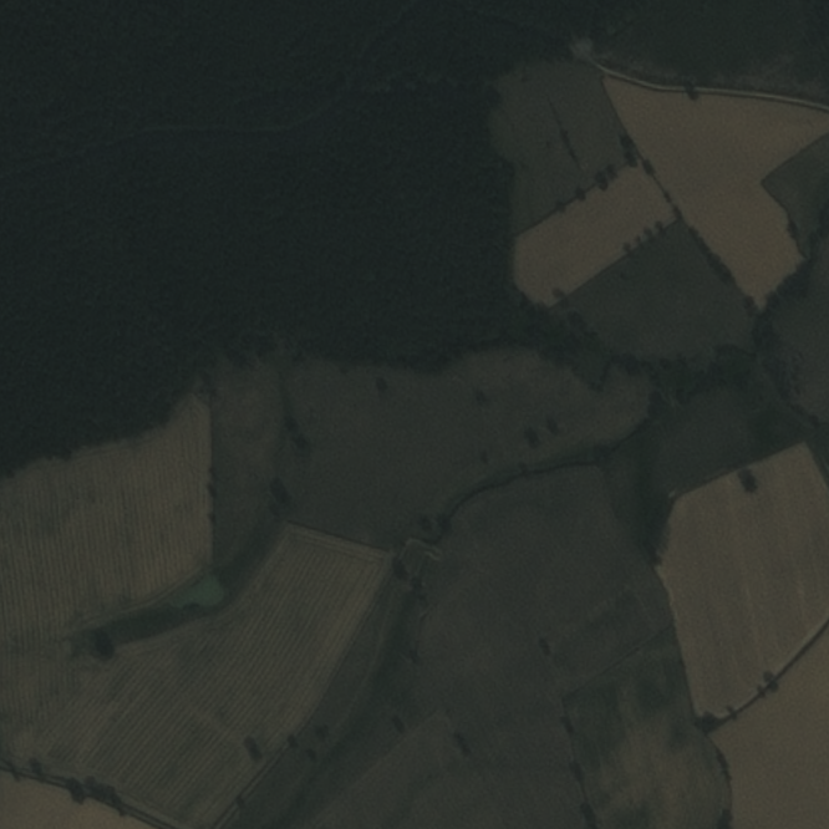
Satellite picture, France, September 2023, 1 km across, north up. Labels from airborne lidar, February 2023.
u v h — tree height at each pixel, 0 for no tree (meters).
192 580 0
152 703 0
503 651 0
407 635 0
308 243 22
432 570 0
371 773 0
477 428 0
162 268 22
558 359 15
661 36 0
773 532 0
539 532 0
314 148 24
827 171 0
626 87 0
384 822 0
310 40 20
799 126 0
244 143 24
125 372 23
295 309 24
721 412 0
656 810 0
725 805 0
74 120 27
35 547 0
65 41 22
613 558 0
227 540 0
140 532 0
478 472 0
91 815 0
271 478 0
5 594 0
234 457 0
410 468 0
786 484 0
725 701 0
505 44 21
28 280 23
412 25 21
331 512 0
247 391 0
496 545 0
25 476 0
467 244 24
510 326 10
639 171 0
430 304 19
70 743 0
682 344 0
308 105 21
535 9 18
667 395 0
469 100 25
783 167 0
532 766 0
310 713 0
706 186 0
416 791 0
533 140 0
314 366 0
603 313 0
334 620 0
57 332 21
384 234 20
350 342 21
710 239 0
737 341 0
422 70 34
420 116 24
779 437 0
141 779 0
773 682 13
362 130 24
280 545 0
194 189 25
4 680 0
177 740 0
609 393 0
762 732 0
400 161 22
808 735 0
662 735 0
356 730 0
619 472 0
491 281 23
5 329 23
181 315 28
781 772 0
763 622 0
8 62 20
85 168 22
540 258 0
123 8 20
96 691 0
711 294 0
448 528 11
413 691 0
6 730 0
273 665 0
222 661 0
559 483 0
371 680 0
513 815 0
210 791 0
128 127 21
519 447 0
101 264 20
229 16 20
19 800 0
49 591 0
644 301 0
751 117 0
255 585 0
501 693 0
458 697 0
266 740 0
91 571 0
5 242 24
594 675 0
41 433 23
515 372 0
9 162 19
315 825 0
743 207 0
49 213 23
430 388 0
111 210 23
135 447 0
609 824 0
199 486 0
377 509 0
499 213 21
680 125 0
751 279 0
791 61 0
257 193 25
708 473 0
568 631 0
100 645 14
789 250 0
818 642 0
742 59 0
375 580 0
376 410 0
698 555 0
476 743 0
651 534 0
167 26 20
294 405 0
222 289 24
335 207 24
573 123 0
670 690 0
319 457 0
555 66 0
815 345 0
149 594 0
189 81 24
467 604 0
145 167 25
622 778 0
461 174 24
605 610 0
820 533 0
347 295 23
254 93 6
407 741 0
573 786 0
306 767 0
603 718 0
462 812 0
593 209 0
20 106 23
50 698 0
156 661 0
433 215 22
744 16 0
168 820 0
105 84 19
